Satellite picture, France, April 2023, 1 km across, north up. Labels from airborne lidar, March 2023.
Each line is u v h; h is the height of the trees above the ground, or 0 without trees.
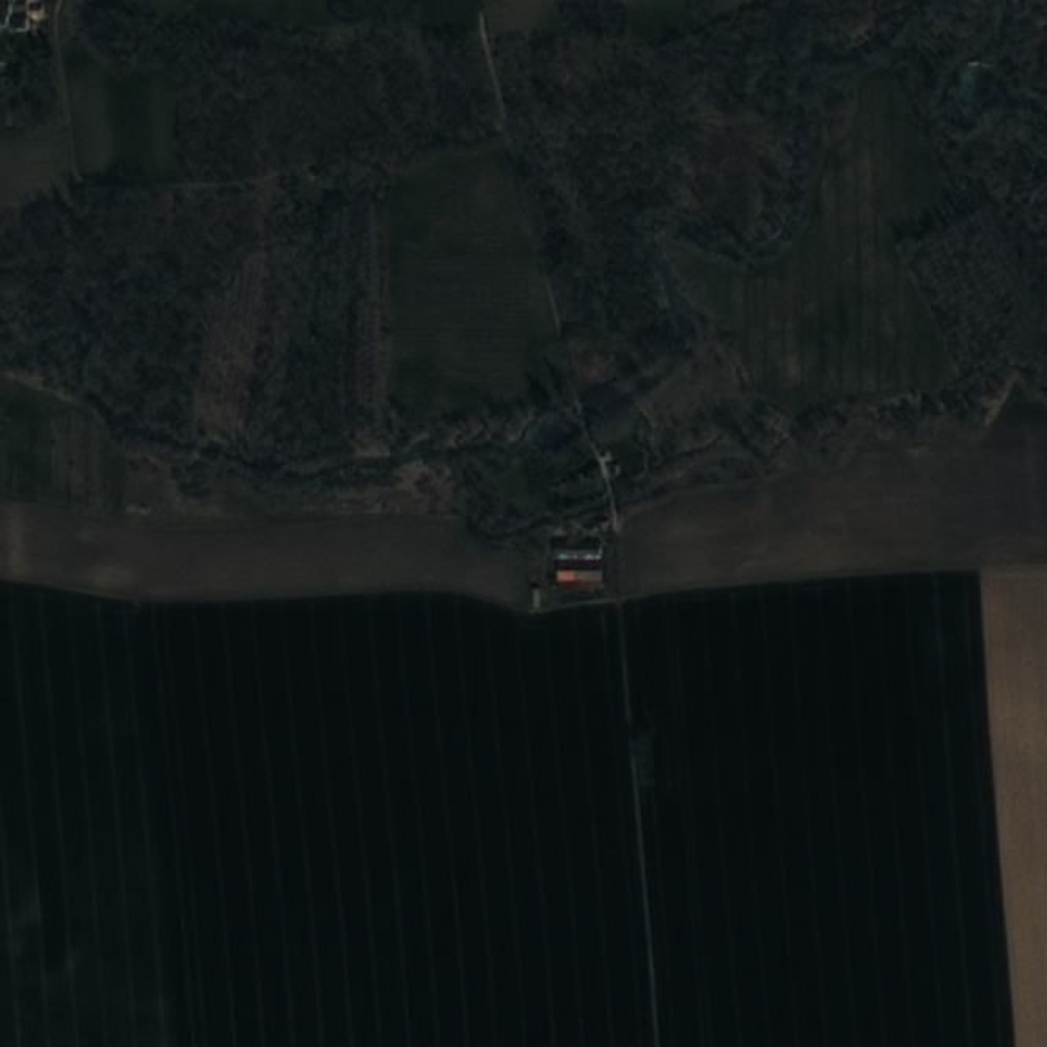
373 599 0
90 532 0
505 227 0
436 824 0
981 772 0
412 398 0
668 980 0
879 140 0
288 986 0
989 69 0
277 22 0
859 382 0
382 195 8
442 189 0
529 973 0
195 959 0
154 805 0
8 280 25
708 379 0
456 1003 0
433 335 0
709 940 0
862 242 0
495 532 9
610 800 0
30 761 0
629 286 9
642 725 0
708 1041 0
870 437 0
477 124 30
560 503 6
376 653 0
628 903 0
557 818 0
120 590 0
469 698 0
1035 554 0
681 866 0
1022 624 0
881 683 0
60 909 0
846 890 0
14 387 0
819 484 0
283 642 0
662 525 0
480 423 0
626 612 0
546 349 0
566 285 31
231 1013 0
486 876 0
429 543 0
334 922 0
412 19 21
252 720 0
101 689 0
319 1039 0
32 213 12
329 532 0
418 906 0
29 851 0
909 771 0
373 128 14
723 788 0
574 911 0
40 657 0
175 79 16
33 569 0
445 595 0
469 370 0
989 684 0
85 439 0
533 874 0
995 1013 0
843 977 0
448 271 0
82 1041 0
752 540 0
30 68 19
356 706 0
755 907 0
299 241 32
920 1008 0
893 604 0
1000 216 33
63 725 0
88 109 0
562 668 0
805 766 0
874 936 0
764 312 0
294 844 0
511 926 0
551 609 0
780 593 0
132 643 0
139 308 35
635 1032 0
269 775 0
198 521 0
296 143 20
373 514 0
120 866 0
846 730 0
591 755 0
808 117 15
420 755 0
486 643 0
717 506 0
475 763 0
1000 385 14
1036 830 0
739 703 0
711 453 0
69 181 0
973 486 0
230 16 0
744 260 10
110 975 0
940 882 0
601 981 0
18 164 0
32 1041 0
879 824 0
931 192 0
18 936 0
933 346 0
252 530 0
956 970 0
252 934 0
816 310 0
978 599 0
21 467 0
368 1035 0
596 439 11
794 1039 0
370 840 0
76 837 0
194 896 0
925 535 0
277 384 28
